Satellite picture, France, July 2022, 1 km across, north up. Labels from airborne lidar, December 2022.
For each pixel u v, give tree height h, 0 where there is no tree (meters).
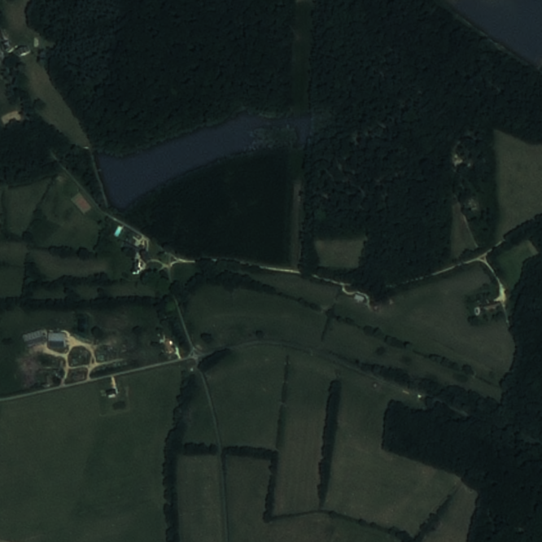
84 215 0
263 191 6
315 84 19
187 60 34
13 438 0
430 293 0
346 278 16
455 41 25
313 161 19
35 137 23
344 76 29
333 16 24
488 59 30
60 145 25
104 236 16
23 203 0
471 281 0
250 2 30
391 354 0
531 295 18
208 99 32
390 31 29
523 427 23
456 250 0
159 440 0
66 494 0
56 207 0
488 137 19
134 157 0
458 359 0
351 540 0
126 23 30
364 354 0
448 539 0
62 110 0
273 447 0
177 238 6
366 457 0
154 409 0
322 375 0
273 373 0
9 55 13
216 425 0
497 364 0
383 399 0
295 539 0
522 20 0
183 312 7
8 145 10
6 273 0
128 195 0
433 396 7
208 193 13
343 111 7
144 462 0
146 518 0
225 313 0
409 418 25
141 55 35
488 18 0
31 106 18
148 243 0
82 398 0
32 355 0
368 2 25
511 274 0
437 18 24
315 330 0
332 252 0
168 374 0
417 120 26
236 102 26
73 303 17
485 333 0
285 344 0
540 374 23
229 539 0
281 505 0
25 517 0
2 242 0
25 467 0
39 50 0
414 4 24
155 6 34
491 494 22
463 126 25
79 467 0
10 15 0
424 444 25
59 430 0
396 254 22
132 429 0
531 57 0
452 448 27
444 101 28
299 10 0
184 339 14
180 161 0
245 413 0
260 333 11
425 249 23
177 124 30
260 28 25
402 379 11
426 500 0
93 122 25
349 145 31
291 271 0
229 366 0
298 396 0
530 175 0
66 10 16
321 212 28
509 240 16
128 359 0
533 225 16
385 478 0
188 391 18
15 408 0
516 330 18
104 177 0
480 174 26
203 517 0
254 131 0
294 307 0
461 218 0
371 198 26
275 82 28
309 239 22
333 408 20
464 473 22
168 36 36
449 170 22
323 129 8
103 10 23
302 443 0
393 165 29
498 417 25
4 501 0
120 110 33
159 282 35
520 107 27
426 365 0
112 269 0
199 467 0
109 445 0
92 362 0
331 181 28
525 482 25
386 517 0
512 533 21
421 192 23
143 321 0
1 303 12
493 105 33
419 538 12
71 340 0
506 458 23
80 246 0
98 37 23
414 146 23
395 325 0
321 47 18
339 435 0
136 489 0
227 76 29
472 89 31
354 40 28
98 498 0
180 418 13
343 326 0
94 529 0
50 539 0
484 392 0
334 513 9
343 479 0
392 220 24
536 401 18
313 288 0
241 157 8
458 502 0
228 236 7
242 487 0
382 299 20
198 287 17
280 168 7
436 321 0
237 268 13
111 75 17
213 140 0
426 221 28
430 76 26
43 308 17
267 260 6
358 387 0
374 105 22
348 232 19
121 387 0
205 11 34
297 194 0
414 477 0
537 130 23
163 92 34
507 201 0
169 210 9
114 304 17
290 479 0
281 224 7
